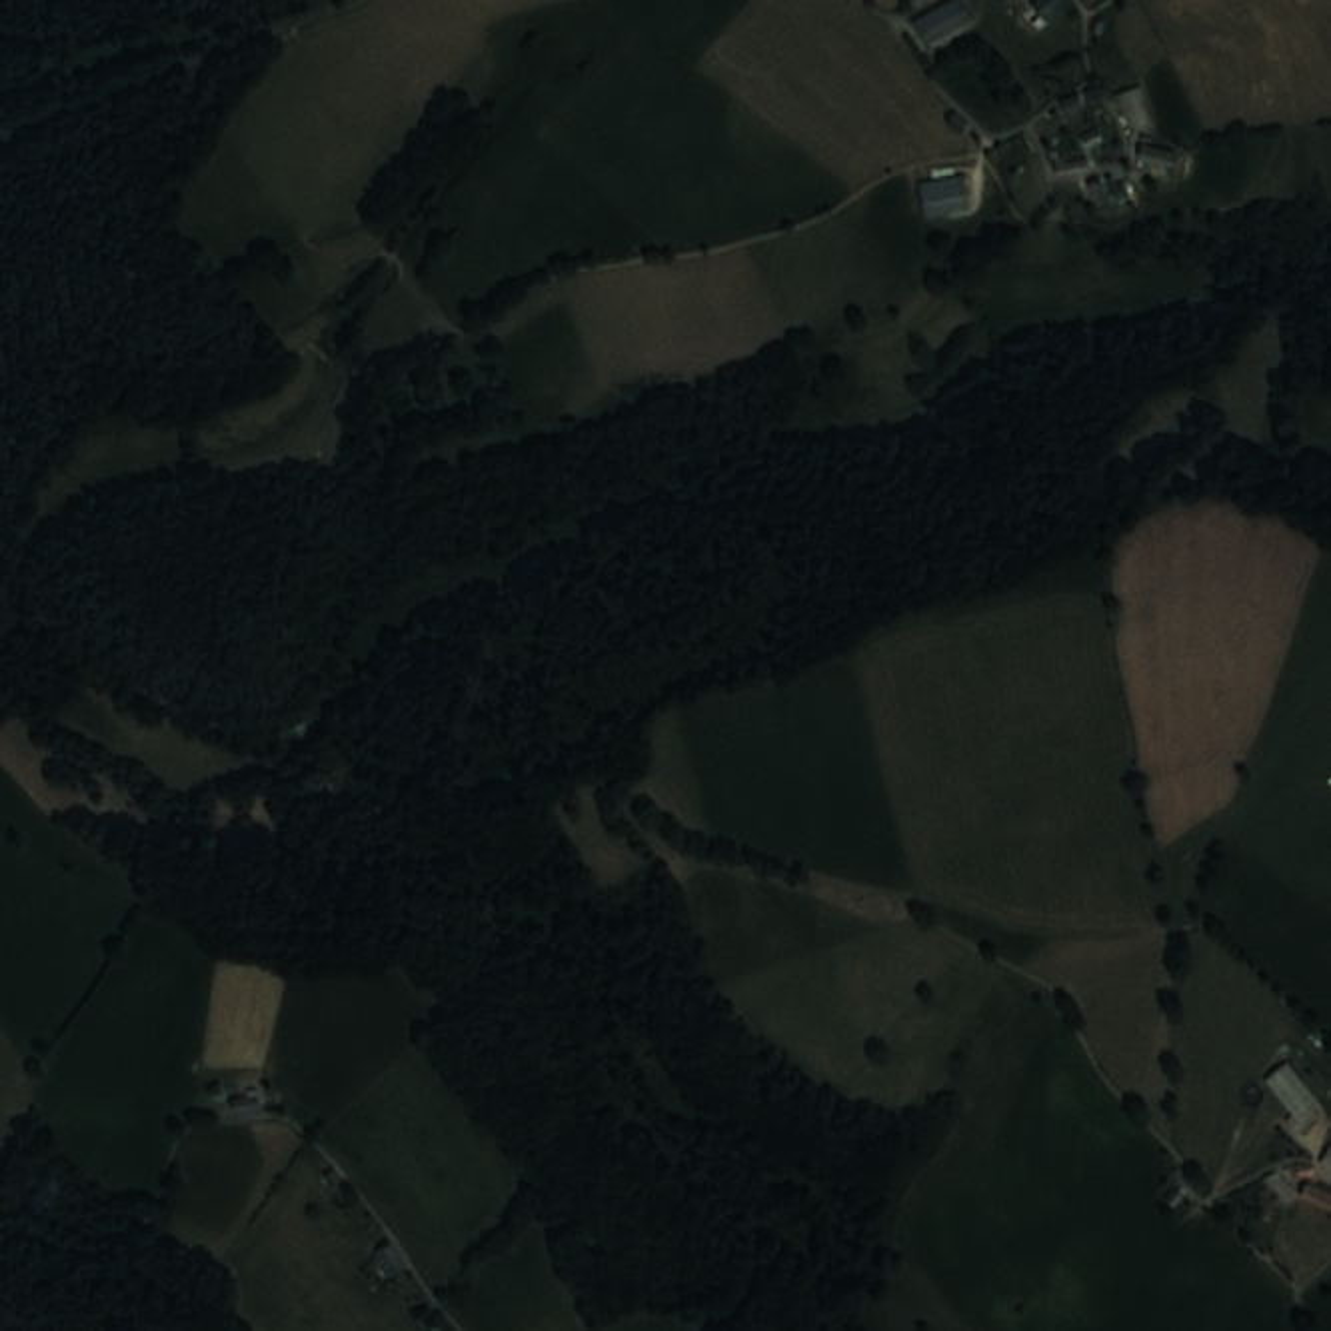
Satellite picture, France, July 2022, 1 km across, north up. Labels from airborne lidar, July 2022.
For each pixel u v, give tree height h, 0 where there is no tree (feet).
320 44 0
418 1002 0
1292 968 0
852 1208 65
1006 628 0
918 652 0
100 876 0
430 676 85
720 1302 68
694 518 86
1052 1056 0
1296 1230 0
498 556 52
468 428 71
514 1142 57
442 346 52
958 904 0
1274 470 61
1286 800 0
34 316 48
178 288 53
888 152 0
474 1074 70
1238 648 0
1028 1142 0
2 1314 53
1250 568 0
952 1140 0
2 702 62
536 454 72
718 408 85
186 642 60
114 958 47
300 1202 0
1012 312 0
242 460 0
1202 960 0
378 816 65
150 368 77
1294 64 0
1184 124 0
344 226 0
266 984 0
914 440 64
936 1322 0
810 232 0
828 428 0
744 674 71
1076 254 0
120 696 74
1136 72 0
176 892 86
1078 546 62
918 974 0
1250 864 0
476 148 35
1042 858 0
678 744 0
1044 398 99
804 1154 73
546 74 0
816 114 0
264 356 66
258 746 57
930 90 0
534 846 80
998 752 0
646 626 51
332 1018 0
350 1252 0
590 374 0
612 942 61
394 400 64
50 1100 0
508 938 19
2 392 57
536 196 0
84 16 80
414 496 58
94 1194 36
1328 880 0
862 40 0
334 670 44
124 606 35
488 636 37
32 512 62
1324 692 0
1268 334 0
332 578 61
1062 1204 0
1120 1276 0
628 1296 62
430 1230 0
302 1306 0
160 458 0
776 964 0
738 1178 79
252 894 104
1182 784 0
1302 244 53
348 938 84
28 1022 0
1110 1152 0
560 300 0
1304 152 0
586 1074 73
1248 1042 0
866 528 91
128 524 68
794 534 52
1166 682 0
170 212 66
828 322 0
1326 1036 24
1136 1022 0
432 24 0
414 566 78
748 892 0
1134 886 0
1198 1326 0
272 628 52
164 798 54
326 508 58
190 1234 0
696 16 0
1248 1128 0
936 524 69
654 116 0
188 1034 0
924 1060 0
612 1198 58
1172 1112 53
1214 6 0
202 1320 79
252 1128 0
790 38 0
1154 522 0
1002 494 81
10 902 0
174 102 56
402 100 0
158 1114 0
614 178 0
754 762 0
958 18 0
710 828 0
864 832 0
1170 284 0
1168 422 0
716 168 0
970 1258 0
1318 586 0
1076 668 0
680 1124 45
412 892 85
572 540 0
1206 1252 0
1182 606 0
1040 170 0
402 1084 0
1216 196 0
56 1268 45
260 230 0
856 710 0
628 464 80
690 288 0
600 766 68
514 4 0
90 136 69
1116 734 0
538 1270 0
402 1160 0
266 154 0
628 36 0
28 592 72
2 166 67
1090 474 91
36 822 0
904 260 0
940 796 0
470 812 85
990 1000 0
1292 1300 0
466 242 0
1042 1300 0
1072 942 0
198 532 55
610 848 0
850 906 0
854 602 59
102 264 58
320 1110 0
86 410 79
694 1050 84
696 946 47
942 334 0
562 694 61
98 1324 48
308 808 58
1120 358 74
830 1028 0
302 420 0
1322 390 70
